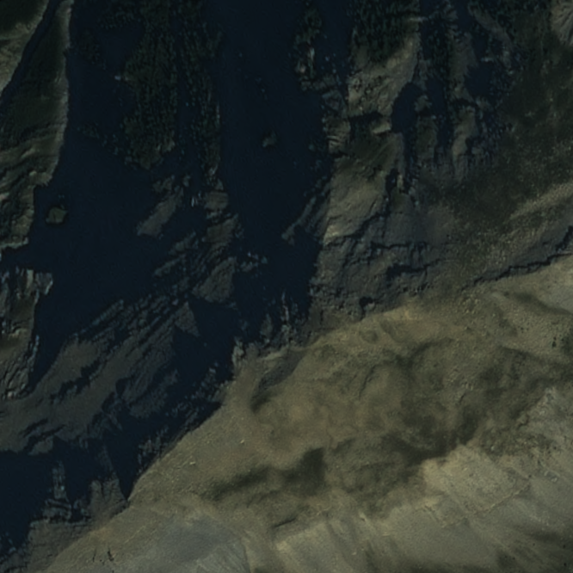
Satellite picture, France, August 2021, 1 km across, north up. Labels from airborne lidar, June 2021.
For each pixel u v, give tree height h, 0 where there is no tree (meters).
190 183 0
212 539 0
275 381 0
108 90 7
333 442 0
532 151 0
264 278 0
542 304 0
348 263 0
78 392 0
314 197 0
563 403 0
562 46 0
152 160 0
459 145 0
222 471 0
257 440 0
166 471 0
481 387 0
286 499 0
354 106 0
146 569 0
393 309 0
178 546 0
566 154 0
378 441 0
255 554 0
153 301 0
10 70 0
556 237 0
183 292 0
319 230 0
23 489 0
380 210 0
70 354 0
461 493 0
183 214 0
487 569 0
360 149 0
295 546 0
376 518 0
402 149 0
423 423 0
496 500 0
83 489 0
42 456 0
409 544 0
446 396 0
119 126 9
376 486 0
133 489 0
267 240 0
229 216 0
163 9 7
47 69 5
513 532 0
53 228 0
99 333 0
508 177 0
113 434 0
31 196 0
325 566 0
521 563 0
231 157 0
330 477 0
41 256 0
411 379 0
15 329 0
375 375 0
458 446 0
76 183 0
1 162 0
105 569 0
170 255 0
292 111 6
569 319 0
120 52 0
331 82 0
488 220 0
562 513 0
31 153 0
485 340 0
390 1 6
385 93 0
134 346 0
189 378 0
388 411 0
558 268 0
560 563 0
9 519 0
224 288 0
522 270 0
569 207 0
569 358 0
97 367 0
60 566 0
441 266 0
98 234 0
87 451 0
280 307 0
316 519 0
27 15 7
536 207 0
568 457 0
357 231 0
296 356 0
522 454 0
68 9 0
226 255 0
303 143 8
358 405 0
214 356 0
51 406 0
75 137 0
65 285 0
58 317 0
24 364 0
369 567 0
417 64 0
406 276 0
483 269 0
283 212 0
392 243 0
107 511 0
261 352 0
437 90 0
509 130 0
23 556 0
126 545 0
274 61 8
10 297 0
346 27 14
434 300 0
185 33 13
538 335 0
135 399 0
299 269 0
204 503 0
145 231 0
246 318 0
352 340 0
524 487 0
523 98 0
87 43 7
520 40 0
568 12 0
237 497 0
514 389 0
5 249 0
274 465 0
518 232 0
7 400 0
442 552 0
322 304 0
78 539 0
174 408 0
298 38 8
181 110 0
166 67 0
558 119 0
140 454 0
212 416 0
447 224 0
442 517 0
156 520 0
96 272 0
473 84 0
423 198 0
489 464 0
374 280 0
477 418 0
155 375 0
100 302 0
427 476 0
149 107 7
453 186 0
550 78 0
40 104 0
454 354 0
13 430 0
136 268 0
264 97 10
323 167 0
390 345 0
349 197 0
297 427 0
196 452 0
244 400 0
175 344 0
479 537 0
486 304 0
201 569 0
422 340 0
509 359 0
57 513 0
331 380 0
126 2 6
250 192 0
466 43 0
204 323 0
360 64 0
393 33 11
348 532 0
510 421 0
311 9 6
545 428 0
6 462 0
